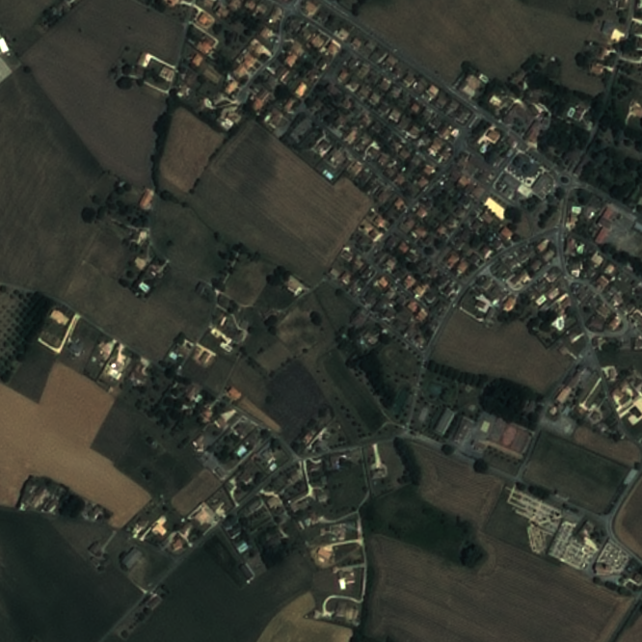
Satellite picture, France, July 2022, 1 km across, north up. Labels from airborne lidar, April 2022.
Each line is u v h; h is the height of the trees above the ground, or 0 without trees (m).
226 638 0
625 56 13
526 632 0
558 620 0
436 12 0
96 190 0
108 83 0
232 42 9
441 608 0
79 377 0
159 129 20
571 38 0
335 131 0
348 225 0
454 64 0
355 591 0
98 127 0
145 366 0
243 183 0
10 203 0
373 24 0
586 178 9
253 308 0
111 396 0
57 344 0
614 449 0
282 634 0
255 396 0
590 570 0
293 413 0
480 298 0
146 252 0
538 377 0
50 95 0
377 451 0
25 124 0
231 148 0
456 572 0
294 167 0
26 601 0
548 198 9
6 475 0
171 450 0
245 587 0
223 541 0
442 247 16
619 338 0
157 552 0
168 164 0
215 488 0
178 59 0
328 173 0
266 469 0
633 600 0
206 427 0
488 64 0
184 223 0
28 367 0
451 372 18
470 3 0
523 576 0
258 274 0
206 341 0
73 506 16
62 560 0
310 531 0
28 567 0
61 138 0
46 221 0
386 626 0
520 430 0
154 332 0
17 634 0
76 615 0
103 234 0
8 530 0
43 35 0
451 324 0
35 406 0
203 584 0
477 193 0
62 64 0
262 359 0
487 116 0
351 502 0
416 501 0
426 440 0
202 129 0
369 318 0
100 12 0
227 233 0
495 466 0
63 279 0
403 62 0
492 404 22
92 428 0
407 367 0
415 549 0
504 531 0
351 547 0
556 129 11
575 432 0
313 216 0
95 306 0
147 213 5
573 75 0
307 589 0
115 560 0
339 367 0
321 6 0
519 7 0
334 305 0
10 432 0
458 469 0
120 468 0
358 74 0
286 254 0
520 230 0
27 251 0
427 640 0
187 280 0
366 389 0
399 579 0
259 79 8
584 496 0
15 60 0
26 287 0
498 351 0
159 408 8
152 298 0
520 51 0
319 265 0
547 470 0
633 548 0
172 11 0
